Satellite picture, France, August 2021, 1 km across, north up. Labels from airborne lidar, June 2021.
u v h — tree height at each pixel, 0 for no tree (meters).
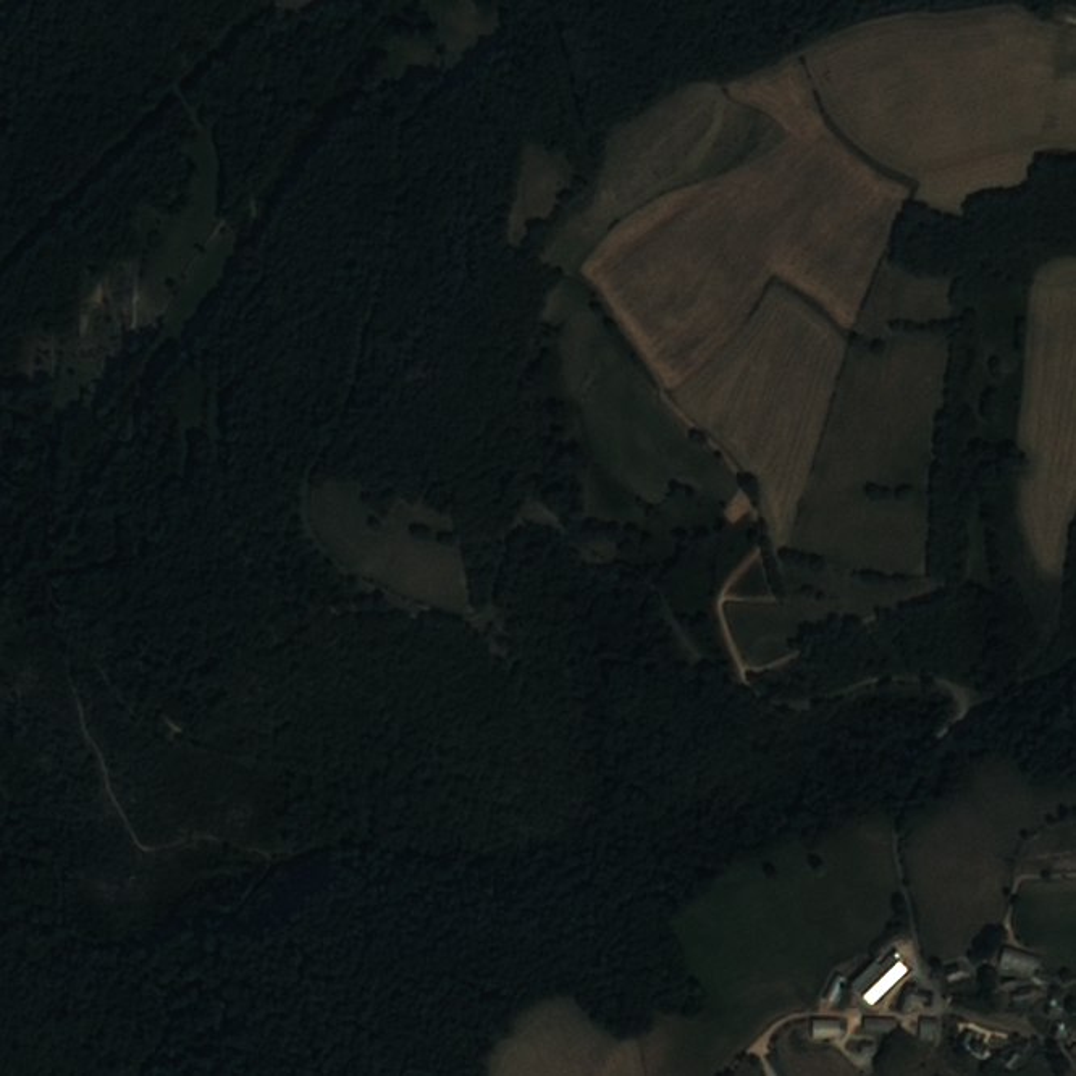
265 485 16
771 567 14
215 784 6
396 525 0
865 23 0
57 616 21
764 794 19
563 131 13
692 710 19
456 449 18
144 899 5
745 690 12
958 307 11
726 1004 0
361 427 17
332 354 23
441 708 15
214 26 15
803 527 0
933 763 18
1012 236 21
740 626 0
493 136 14
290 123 21
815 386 0
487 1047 12
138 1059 16
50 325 21
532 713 16
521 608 16
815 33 13
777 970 0
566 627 23
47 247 21
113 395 19
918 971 0
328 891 26
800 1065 0
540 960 17
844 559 0
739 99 0
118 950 17
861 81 0
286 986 22
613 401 0
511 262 15
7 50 14
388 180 24
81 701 12
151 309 0
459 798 21
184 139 21
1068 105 0
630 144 0
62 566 10
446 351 11
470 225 6
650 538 13
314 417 11
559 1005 0
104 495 16
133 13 22
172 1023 17
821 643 21
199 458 17
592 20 16
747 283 0
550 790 13
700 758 20
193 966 26
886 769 21
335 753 28
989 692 28
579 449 16
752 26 21
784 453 0
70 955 17
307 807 23
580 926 12
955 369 13
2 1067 20
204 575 16
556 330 14
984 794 0
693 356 0
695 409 0
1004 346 0
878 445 0
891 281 0
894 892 0
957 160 0
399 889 26
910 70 0
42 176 19
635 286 0
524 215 0
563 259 0
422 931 19
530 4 18
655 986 19
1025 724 21
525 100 18
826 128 0
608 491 0
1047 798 0
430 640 15
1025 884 0
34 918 26
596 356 0
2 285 13
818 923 0
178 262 0
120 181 18
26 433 26
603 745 28
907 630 21
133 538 9
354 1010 17
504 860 25
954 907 0
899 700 10
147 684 13
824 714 21
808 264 0
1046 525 0
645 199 0
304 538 13
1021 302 0
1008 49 0
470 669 18
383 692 21
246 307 23
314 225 21
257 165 20
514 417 23
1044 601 0
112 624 22
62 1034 17
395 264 19
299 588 11
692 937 0
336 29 7
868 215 0
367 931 14
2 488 6
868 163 0
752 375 0
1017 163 0
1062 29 0
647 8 27
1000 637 14
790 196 0
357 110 21
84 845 16
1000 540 7
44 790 11
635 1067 0
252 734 15
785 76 0
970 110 0
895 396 0
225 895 6
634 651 13
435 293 9
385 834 24
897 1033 12
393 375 10
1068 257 0
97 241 18
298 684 17
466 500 15
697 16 18
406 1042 20
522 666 14
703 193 0
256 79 22
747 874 0
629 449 0
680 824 24
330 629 14
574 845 23
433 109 20
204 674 17
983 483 23
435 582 0
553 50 12
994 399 16
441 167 14
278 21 16
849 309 0
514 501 21
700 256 0
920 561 0
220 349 21
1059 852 0
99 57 21
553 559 22
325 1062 26
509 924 22
